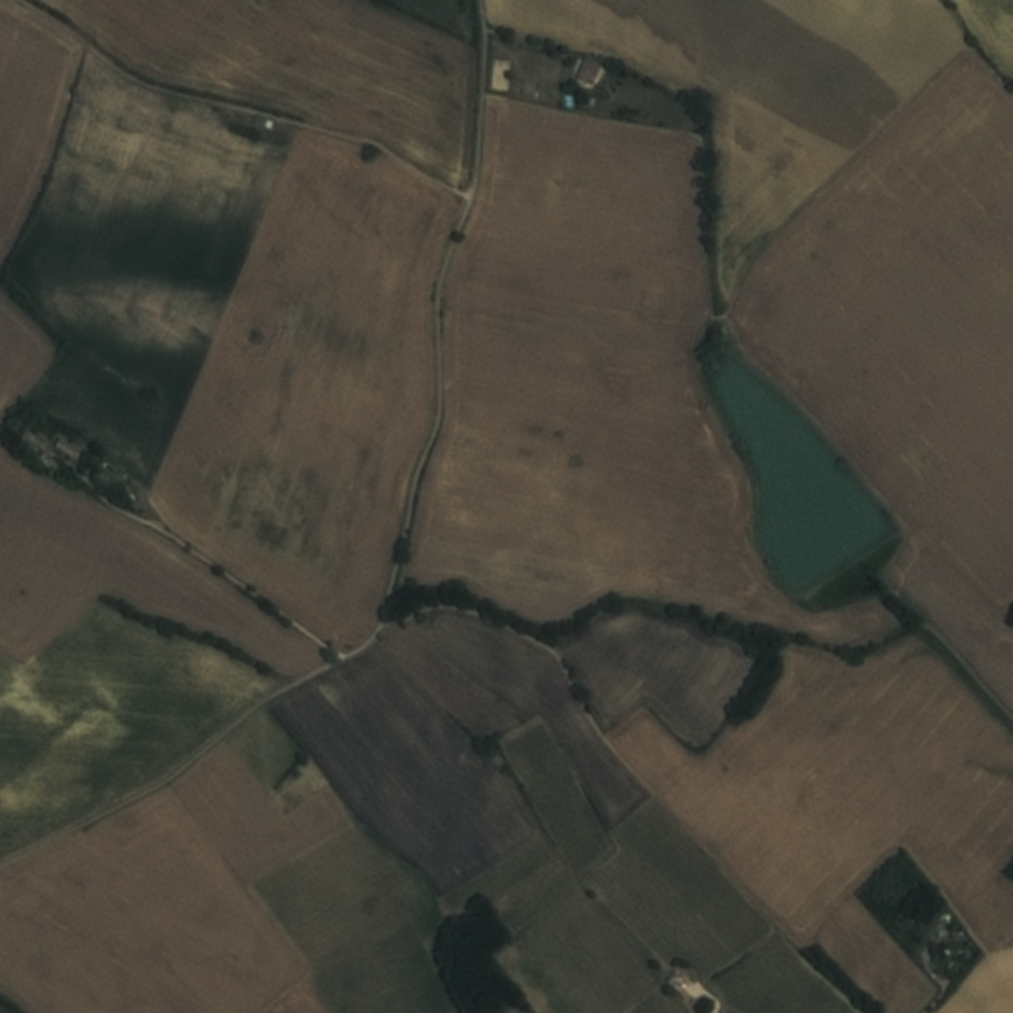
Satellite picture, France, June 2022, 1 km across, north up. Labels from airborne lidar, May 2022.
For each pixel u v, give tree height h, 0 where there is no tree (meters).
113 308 0
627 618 0
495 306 0
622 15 0
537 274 0
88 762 0
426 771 0
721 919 0
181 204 0
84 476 12
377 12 0
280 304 0
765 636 17
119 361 0
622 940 0
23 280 0
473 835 0
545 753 0
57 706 0
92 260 0
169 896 0
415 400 0
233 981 0
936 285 0
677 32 0
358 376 0
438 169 0
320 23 0
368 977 0
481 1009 23
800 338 0
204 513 0
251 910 0
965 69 0
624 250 0
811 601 0
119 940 0
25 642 0
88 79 0
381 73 0
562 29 0
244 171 0
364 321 0
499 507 0
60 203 0
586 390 0
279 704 0
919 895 17
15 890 0
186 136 0
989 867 0
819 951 10
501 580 0
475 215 0
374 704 0
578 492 0
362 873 0
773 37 0
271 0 0
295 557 0
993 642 0
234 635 0
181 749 0
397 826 0
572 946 0
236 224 0
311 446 0
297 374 0
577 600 0
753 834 0
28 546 0
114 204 0
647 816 0
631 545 0
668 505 0
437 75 0
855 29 0
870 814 0
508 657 0
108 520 0
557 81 0
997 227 0
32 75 0
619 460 0
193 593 0
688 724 0
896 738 0
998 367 0
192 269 0
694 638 0
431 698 0
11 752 0
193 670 0
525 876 0
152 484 0
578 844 0
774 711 0
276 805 0
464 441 0
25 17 0
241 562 0
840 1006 0
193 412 0
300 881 0
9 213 0
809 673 0
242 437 0
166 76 0
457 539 0
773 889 0
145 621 9
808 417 0
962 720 0
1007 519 0
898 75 0
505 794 0
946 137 0
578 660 0
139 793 0
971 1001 0
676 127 0
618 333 0
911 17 0
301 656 0
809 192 0
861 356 0
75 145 0
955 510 0
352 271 0
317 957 0
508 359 0
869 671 0
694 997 0
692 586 0
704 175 22
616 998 0
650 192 0
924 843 0
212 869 0
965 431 0
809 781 0
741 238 0
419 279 0
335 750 0
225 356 0
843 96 0
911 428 0
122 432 0
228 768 0
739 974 0
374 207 0
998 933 0
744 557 0
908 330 0
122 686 0
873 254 0
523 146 0
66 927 0
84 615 0
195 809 0
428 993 0
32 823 0
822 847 0
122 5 0
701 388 0
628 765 0
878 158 0
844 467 8
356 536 0
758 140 0
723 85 0
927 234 0
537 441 0
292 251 0
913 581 0
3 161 0
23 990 0
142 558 0
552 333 0
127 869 0
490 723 0
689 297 0
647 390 0
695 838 0
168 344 0
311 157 0
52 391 0
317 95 0
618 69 20
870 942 0
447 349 0
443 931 16
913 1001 0
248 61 0
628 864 0
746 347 0
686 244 0
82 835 0
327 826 0
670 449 0
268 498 0
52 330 5
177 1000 0
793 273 0
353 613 0
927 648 0
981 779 0
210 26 0
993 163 0
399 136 0
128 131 0
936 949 8
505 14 0
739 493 0
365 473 0
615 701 0
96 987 0
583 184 0
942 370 0
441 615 0
